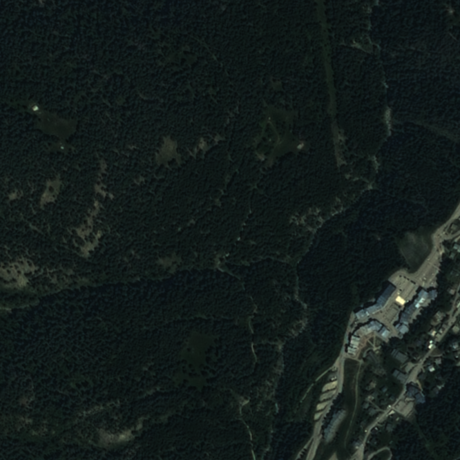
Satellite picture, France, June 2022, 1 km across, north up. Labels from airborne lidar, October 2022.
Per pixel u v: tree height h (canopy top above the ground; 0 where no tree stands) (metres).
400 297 0
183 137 21
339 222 14
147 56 29
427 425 12
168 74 25
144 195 31
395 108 25
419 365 0
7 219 28
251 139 24
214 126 20
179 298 30
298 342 8
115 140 26
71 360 8
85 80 29
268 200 24
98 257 30
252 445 9
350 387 0
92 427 11
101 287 7
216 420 13
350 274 12
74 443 7
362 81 20
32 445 34
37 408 23
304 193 16
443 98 15
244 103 27
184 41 23
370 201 20
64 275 12
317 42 16
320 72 32
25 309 7
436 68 11
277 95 29
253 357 27
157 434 16
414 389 0
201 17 22
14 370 31
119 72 27
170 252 23
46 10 16
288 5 22
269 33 20
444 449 7
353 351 0
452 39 16
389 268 10
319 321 13
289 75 26
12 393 22
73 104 26
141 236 26
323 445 0
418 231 6
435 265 0
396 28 13
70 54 23
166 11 10
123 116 22
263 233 22
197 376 22
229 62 29
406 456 18
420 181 9
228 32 20
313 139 27
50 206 21
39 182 16
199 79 21
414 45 19
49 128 0
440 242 0
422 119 11
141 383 12
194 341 0
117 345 16
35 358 34
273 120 0
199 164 26
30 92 25
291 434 13
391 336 0
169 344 20
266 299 17
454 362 20
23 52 25
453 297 11
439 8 28
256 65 20
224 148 26
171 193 24
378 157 10
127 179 29
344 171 18
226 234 21
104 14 15
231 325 20
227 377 24
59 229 21
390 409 0
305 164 25
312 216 17
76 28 8
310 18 25
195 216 17
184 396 26
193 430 18
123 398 8
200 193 25
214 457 17
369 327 0
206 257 28
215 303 30
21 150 28
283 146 0
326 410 0
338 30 32
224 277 23
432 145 7
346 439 0
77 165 17
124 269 18
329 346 17
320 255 18
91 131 24
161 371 22
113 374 27
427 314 19
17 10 31
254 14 16
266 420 9
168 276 28
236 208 20
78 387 7
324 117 14
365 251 16
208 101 19
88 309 23
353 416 0
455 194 9
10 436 6
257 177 24
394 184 9
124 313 27
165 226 22
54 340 35
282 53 21
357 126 13
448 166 17
